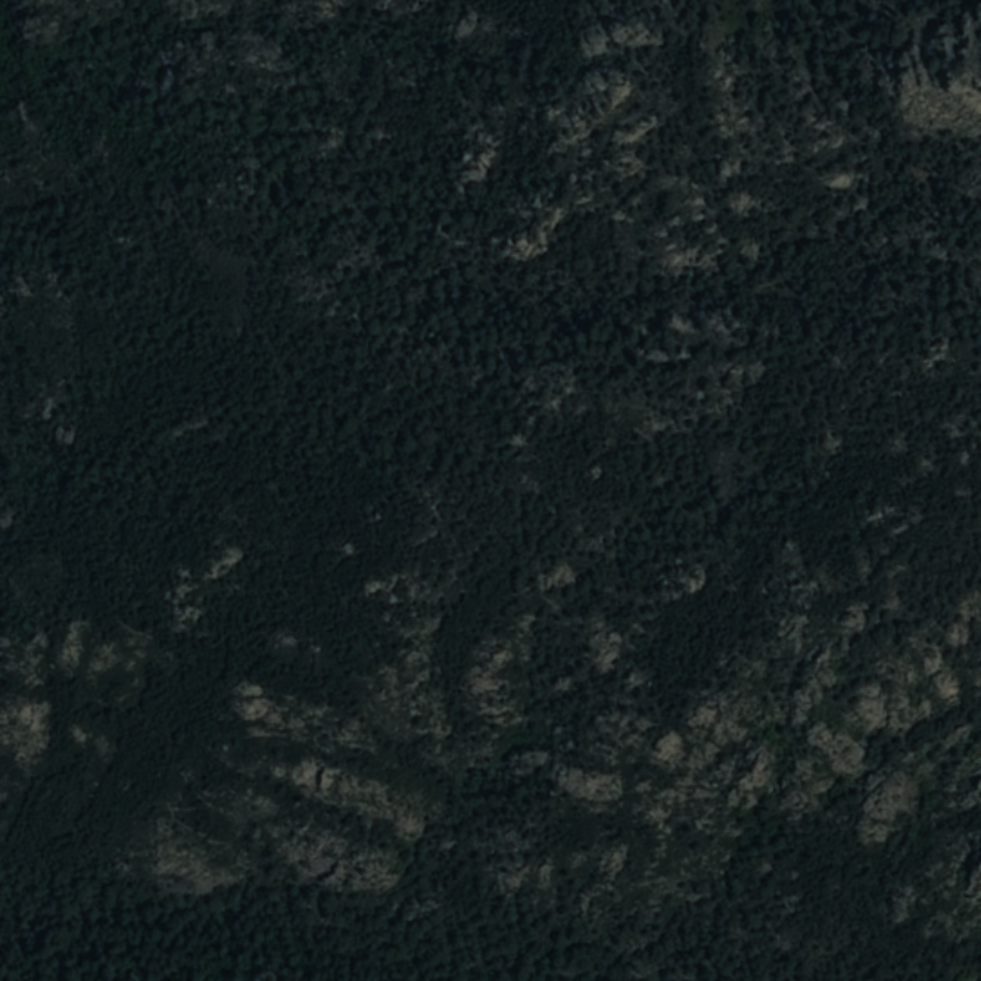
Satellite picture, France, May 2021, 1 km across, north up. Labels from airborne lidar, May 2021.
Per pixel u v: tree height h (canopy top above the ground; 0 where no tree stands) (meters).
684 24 12
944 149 25
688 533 24
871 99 18
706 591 13
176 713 14
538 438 17
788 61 15
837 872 13
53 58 10
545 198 8
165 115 17
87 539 14
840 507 14
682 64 8
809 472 10
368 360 9
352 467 15
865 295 9
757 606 12
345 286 15
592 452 22
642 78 13
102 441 14
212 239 17
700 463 21
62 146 7
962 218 27
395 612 11
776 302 16
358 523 14
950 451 12
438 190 19
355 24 8
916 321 10
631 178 12
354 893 9
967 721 7
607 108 8
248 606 17
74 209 25
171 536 9
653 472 20
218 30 16
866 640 24
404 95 18
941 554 14
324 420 20
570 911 23
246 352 14
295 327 16
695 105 21
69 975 37
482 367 7
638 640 11
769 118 12
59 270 15
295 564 14
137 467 21
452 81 22
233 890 18
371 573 14
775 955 10
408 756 13
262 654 7
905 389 11
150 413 12
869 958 15
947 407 12
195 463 19
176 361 17
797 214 25
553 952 8
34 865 15
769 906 20
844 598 13
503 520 22
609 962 28
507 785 12
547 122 17
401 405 18
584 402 15
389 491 14
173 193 7
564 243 20
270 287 15
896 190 30
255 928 27
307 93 24
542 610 13
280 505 16
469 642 11
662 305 34
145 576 13
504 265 7
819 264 26
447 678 13
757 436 7
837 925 7
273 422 15
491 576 13
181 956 29
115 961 28
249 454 22
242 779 14
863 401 18
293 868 6
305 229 18
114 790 15
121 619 7
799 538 12
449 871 9
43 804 10
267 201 23
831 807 22
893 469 10
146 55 17
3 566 15
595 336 39
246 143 12
